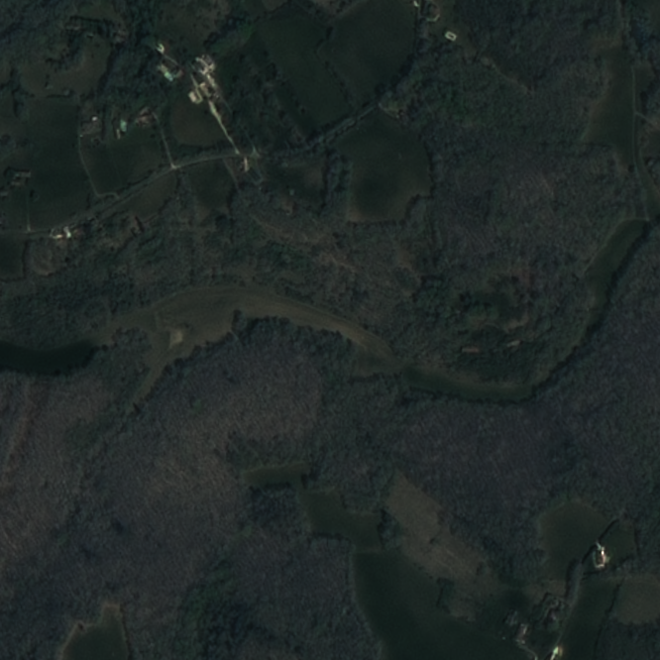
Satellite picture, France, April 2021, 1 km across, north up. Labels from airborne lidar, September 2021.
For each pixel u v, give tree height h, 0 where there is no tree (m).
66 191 0
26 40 18
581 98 19
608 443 22
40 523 18
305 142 7
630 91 0
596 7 14
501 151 24
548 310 17
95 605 18
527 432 18
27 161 0
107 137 11
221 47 20
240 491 18
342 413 24
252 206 25
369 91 0
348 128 6
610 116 0
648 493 23
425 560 0
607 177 19
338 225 20
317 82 0
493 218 24
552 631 19
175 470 20
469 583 0
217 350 15
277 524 31
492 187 25
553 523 0
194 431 21
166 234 19
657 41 11
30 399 9
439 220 17
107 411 13
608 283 0
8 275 0
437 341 23
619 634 15
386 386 19
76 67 12
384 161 0
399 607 0
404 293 21
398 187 0
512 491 17
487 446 20
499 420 18
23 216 0
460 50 12
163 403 17
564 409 19
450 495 17
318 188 0
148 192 0
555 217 23
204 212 0
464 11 20
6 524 19
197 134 0
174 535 21
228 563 23
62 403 12
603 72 19
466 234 21
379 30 0
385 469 21
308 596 23
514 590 0
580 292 27
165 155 13
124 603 22
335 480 23
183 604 24
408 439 18
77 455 16
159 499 18
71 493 18
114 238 13
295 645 17
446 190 18
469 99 20
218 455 15
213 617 21
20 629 25
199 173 0
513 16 22
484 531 16
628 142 0
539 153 18
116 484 19
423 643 0
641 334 18
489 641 0
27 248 11
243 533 27
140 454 19
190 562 19
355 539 0
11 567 18
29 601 21
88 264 14
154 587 19
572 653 0
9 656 24
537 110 23
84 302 16
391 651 0
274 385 19
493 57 9
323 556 19
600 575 16
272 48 0
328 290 13
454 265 22
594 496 23
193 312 0
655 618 0
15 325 9
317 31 0
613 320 17
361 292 16
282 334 19
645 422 21
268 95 16
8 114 0
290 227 17
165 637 24
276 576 19
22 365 0
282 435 23
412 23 0
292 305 0
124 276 7
